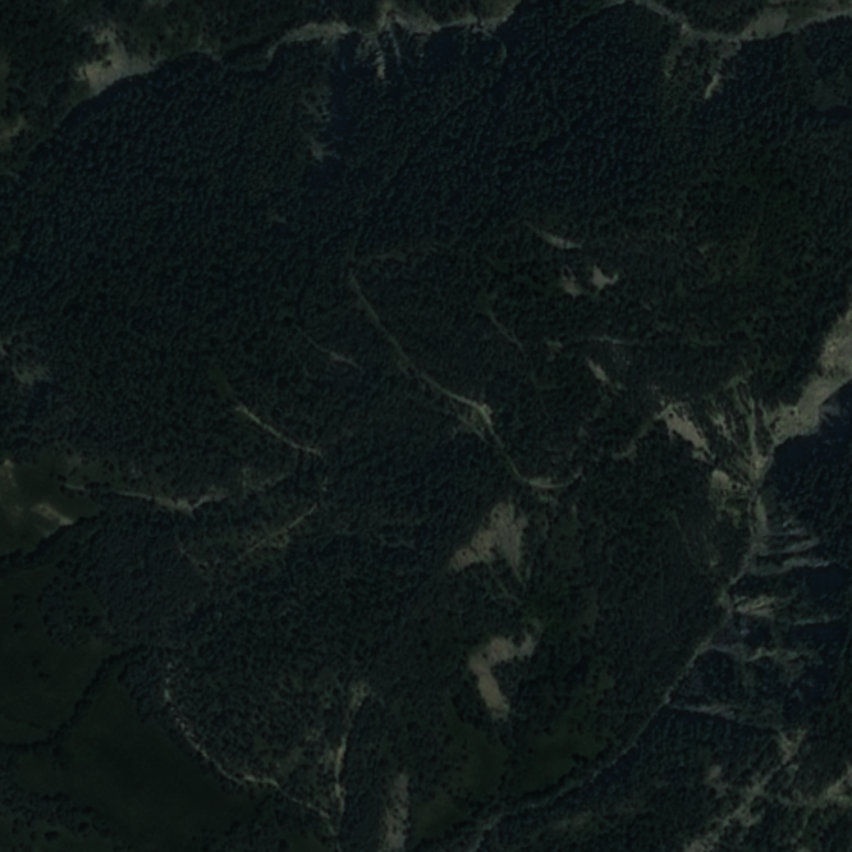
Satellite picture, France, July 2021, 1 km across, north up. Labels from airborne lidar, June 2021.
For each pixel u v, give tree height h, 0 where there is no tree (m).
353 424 12
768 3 10
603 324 14
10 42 13
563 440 14
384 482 18
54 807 9
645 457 26
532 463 18
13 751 15
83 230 25
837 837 17
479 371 19
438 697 15
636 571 17
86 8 14
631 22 11
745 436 9
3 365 19
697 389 17
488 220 22
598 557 12
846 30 11
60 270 34
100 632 11
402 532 7
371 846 11
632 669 24
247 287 17
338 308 25
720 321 9
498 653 0
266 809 11
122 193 26
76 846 0
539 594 11
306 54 17
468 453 25
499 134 22
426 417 16
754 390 11
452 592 14
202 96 32
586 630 15
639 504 10
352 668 12
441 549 15
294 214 29
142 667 11
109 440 12
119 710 0
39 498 0
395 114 31
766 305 18
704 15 18
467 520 11
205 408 25
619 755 10
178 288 11
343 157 14
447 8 16
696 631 17
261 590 12
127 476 8
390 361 25
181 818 0
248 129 22
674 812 15
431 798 9
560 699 19
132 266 35
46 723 0
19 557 16
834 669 20
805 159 23
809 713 23
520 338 9
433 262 17
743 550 10
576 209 10
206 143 24
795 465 15
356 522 12
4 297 28
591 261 13
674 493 10
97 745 0
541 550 7
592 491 26
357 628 25
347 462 12
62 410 19
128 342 28
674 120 14
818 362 15
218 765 10
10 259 28
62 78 8
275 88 22
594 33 17
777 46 12
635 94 27
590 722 9
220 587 11
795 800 10
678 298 15
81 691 0
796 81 7
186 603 15
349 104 17
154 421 22
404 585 20
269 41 15
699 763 7
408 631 18
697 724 22
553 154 32
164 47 12
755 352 20
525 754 15
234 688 13
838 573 0
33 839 8
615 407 11
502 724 9
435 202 21
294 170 24
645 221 10
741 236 8
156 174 35
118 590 18
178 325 26
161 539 17
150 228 34
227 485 11
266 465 12
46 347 15
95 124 31
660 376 7
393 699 8
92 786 0
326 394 23
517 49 20
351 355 10
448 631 9
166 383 26
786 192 15
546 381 12
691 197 14
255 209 31
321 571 18
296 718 16
